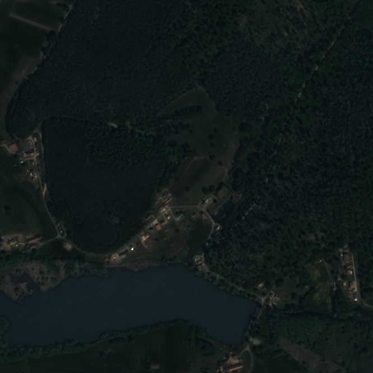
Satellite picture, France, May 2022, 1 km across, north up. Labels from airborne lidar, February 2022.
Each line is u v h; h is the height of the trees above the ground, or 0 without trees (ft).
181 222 0
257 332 84
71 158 49
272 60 85
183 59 94
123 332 22
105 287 0
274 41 91
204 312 0
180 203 0
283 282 53
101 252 38
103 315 0
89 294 0
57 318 0
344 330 55
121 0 64
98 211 54
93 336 0
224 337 0
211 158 52
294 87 94
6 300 0
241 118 62
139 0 62
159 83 78
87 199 52
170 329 0
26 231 0
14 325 0
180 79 89
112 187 52
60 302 0
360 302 0
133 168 63
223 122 0
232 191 25
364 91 27
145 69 64
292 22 109
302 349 0
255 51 52
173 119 74
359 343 0
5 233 0
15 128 57
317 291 0
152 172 46
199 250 0
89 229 48
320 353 0
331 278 0
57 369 0
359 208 104
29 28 0
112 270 0
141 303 0
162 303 0
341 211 102
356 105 26
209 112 0
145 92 73
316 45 20
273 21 0
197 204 0
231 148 0
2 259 51
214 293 0
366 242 67
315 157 107
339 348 0
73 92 62
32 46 0
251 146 59
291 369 0
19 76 0
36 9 0
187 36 86
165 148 87
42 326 0
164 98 88
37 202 0
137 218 55
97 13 51
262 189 96
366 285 60
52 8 0
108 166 47
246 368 0
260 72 81
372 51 25
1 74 0
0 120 0
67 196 54
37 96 61
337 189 70
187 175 0
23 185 0
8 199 0
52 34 49
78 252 0
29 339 0
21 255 72
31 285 0
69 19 59
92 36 70
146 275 0
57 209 48
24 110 61
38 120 44
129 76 64
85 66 65
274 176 88
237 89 49
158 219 0
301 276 71
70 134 58
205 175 0
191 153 75
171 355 0
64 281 0
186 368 0
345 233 102
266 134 99
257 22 0
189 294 0
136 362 0
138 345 0
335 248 33
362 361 0
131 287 0
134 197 52
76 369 0
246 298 0
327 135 95
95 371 0
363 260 57
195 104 0
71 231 47
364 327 69
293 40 79
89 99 59
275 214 98
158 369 0
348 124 22
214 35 102
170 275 0
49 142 49
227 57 68
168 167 82
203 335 32
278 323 92
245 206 22
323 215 94
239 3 34
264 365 0
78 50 68
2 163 0
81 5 67
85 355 0
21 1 0
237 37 74
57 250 0
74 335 0
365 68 26
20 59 0
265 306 0
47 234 0
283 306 0
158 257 0
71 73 65
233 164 20
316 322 94
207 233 0
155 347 0
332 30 27
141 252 0
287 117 0
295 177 103
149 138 75
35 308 0
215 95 87
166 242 0
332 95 28
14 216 0
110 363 0
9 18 0
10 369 0
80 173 43
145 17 62
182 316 0
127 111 75
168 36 81
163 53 92
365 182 96
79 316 0
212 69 76
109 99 62
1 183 0
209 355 48
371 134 86
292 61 78
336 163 27
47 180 54
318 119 111
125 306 0
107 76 49
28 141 0
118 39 60
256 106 70
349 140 28
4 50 0
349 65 21
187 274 0
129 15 66
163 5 59
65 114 68
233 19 93
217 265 31
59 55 61
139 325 0
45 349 49
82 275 0
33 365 0
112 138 93
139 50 48
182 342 0
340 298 87
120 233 51
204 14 108
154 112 75
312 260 20
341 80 100
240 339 0
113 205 50
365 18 0
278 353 48
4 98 0
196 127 0
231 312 0
